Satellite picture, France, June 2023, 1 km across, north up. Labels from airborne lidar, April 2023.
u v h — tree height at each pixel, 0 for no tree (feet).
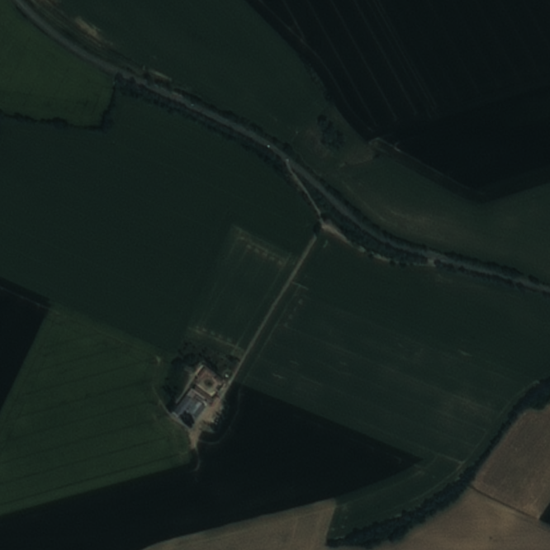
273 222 0
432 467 0
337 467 0
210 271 0
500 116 0
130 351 0
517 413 36
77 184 0
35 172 0
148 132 0
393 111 0
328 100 24
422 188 0
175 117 0
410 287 0
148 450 0
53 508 0
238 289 0
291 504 0
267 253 0
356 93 0
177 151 0
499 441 22
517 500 0
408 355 0
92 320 0
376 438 0
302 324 0
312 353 0
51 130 0
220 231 0
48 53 0
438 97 0
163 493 0
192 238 0
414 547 0
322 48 0
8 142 0
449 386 0
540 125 0
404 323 0
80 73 0
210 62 0
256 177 0
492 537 0
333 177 0
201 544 0
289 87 0
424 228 0
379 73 0
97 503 0
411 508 0
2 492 0
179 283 0
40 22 0
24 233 0
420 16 0
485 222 0
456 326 0
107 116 39
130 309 0
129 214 0
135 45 0
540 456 0
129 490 0
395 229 0
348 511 0
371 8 0
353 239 52
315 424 0
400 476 0
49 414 0
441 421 0
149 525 0
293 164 0
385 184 0
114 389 0
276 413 0
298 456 0
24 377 0
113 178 0
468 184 0
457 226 0
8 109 0
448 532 0
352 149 0
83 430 0
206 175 0
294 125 0
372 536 33
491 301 0
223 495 0
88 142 0
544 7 0
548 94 0
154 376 0
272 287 0
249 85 0
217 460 0
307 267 0
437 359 0
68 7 0
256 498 0
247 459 0
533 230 0
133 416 0
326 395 0
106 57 0
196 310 0
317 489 0
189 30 0
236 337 0
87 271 0
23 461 0
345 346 0
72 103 0
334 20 0
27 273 0
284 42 0
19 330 0
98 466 0
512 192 0
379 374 0
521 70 0
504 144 0
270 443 0
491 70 0
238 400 0
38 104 0
